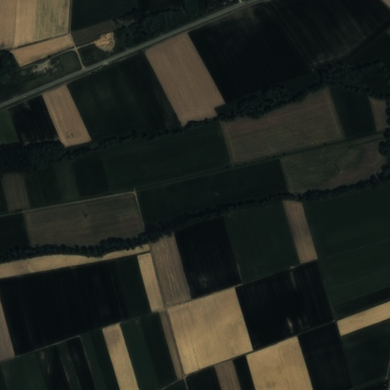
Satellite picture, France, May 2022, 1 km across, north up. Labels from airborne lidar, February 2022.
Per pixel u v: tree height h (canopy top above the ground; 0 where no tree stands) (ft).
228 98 0
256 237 0
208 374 0
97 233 0
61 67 0
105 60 0
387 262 0
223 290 0
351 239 0
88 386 0
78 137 0
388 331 0
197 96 0
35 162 90
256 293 0
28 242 0
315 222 0
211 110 0
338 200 0
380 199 0
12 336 0
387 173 31
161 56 0
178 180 0
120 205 0
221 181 0
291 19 0
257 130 0
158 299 0
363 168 0
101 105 0
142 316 0
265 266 0
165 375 0
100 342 0
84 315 0
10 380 0
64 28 0
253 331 0
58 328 0
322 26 0
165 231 104
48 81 0
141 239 63
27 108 0
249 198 0
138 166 0
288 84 0
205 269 0
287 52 0
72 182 0
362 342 0
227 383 0
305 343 0
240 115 45
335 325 0
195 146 0
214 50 0
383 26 0
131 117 0
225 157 0
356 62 0
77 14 0
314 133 0
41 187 0
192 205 0
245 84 0
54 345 0
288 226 0
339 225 0
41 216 0
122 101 0
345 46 0
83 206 0
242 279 0
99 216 0
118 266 0
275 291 0
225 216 0
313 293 0
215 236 0
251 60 0
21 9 0
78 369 0
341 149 0
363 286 0
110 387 0
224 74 0
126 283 0
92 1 0
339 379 0
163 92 0
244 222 0
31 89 0
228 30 0
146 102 0
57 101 0
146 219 0
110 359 0
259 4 0
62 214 0
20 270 0
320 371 0
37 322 0
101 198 0
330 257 0
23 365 0
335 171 0
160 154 0
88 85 0
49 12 0
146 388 0
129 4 0
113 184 0
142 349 0
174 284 0
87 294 0
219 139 0
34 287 0
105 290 0
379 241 0
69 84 0
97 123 0
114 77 0
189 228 0
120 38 0
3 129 0
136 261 0
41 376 0
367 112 0
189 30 0
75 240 0
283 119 0
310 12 0
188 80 0
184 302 0
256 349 0
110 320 0
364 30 0
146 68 0
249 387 0
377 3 0
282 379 0
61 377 0
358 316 0
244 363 0
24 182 0
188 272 0
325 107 0
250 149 0
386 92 0
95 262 0
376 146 0
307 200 61
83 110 0
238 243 0
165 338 0
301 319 0
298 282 0
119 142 52
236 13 0
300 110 0
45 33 0
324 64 0
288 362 0
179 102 0
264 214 0
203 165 0
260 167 0
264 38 0
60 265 0
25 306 0
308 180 0
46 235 0
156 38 0
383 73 62
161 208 0
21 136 0
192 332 0
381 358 0
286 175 0
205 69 0
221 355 0
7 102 0
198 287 0
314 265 0
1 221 0
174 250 0
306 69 0
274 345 0
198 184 0
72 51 0
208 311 0
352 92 0
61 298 0
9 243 0
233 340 0
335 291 0
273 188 0
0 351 0
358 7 0
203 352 0
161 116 0
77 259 0
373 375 0
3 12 0
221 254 0
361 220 0
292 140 0
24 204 0
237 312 0
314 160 0
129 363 0
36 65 0
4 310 0
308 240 0
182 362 0
